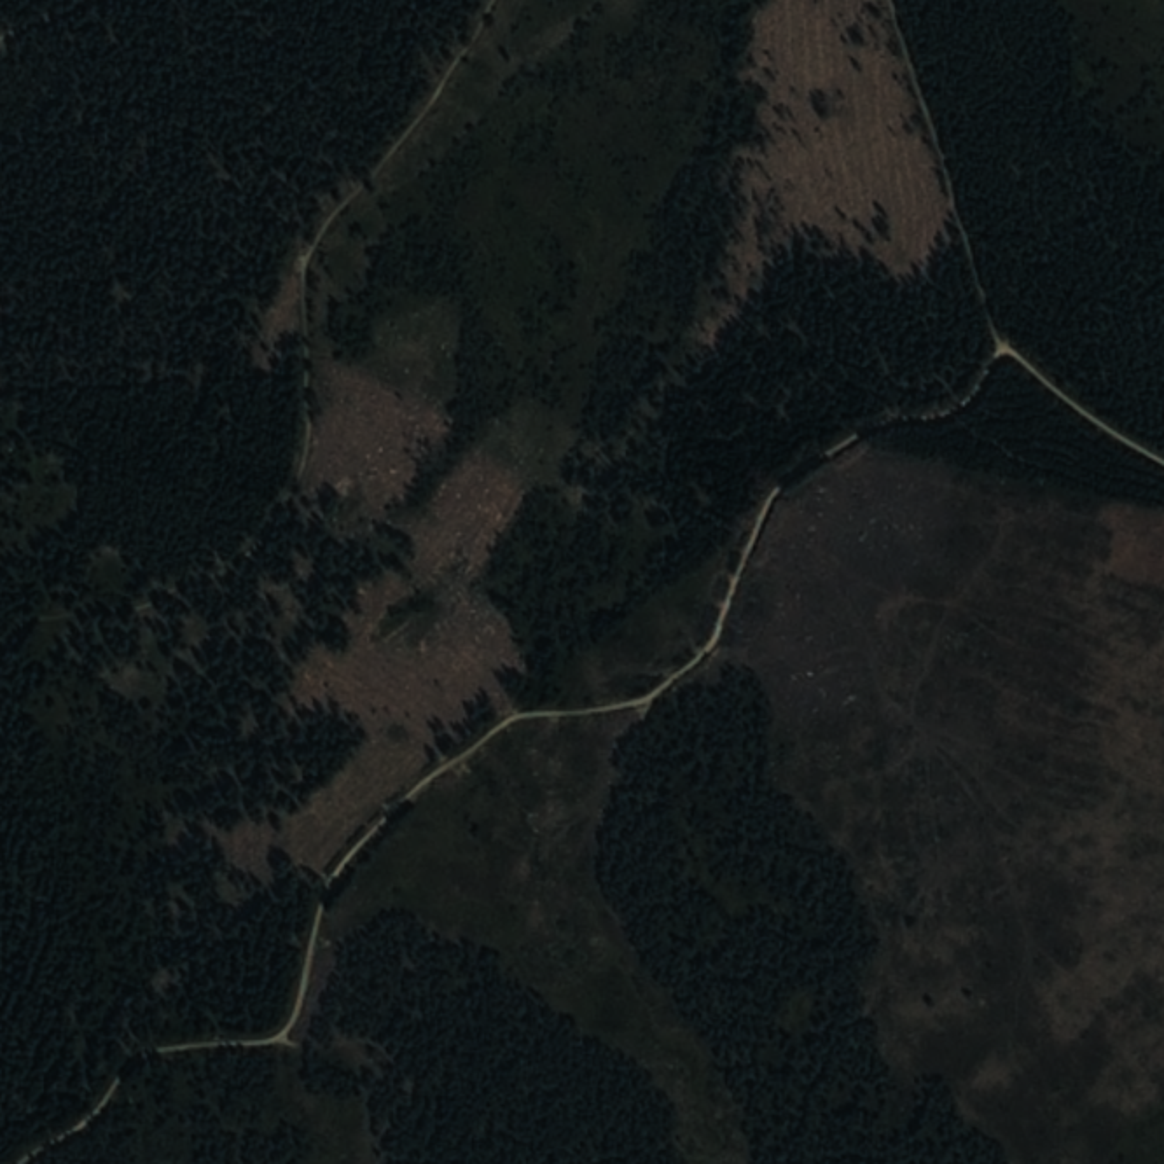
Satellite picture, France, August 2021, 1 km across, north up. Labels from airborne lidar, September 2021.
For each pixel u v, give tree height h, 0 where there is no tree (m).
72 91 19
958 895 0
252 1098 15
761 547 6
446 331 0
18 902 16
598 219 0
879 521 0
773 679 0
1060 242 20
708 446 15
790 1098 15
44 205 18
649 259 7
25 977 24
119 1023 18
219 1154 13
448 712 0
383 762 0
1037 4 20
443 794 0
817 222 0
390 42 24
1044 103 16
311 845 0
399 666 0
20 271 21
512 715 0
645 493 20
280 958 22
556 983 0
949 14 20
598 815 0
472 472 0
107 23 20
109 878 10
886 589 0
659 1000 0
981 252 17
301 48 20
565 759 0
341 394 0
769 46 0
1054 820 0
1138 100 8
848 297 20
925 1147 10
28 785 11
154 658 0
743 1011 16
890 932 0
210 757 20
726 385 16
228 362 18
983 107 21
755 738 11
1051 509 0
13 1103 23
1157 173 10
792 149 0
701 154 10
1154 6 0
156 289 22
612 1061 13
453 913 0
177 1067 10
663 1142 17
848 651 0
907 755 0
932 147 14
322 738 17
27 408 17
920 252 0
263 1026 20
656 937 17
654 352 11
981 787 0
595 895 0
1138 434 13
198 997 21
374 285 9
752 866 14
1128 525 0
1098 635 0
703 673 0
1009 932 0
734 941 14
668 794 15
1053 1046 0
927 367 18
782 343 16
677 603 0
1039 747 0
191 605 19
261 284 24
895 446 14
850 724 0
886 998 0
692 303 12
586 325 0
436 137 0
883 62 0
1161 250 16
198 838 27
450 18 22
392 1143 13
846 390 14
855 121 0
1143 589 0
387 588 0
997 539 0
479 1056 16
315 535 18
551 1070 11
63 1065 18
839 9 0
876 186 0
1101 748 0
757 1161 12
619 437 15
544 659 18
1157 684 0
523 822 0
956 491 0
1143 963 0
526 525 11
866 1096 16
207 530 14
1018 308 16
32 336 21
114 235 20
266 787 21
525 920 0
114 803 10
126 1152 12
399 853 0
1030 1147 0
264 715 24
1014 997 0
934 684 0
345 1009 14
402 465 0
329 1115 0
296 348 23
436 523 0
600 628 17
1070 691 0
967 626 0
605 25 0
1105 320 16
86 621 25
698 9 8
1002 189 18
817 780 0
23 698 26
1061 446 15
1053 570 0
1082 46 7
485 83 0
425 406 0
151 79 19
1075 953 0
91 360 21
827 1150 13
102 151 20
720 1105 0
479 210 0
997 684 0
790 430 0
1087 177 11
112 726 13
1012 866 0
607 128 0
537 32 0
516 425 0
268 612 24
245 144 23
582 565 6
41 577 11
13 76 12
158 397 16
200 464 19
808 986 15
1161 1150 0
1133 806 0
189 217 21
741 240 9
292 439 14
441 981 14
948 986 0
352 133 12
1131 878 0
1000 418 13
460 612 0
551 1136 15
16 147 22
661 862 15
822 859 10
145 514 14
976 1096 0
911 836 0
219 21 19
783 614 0
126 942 13
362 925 0
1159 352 19
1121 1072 0
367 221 0
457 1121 16
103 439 13
